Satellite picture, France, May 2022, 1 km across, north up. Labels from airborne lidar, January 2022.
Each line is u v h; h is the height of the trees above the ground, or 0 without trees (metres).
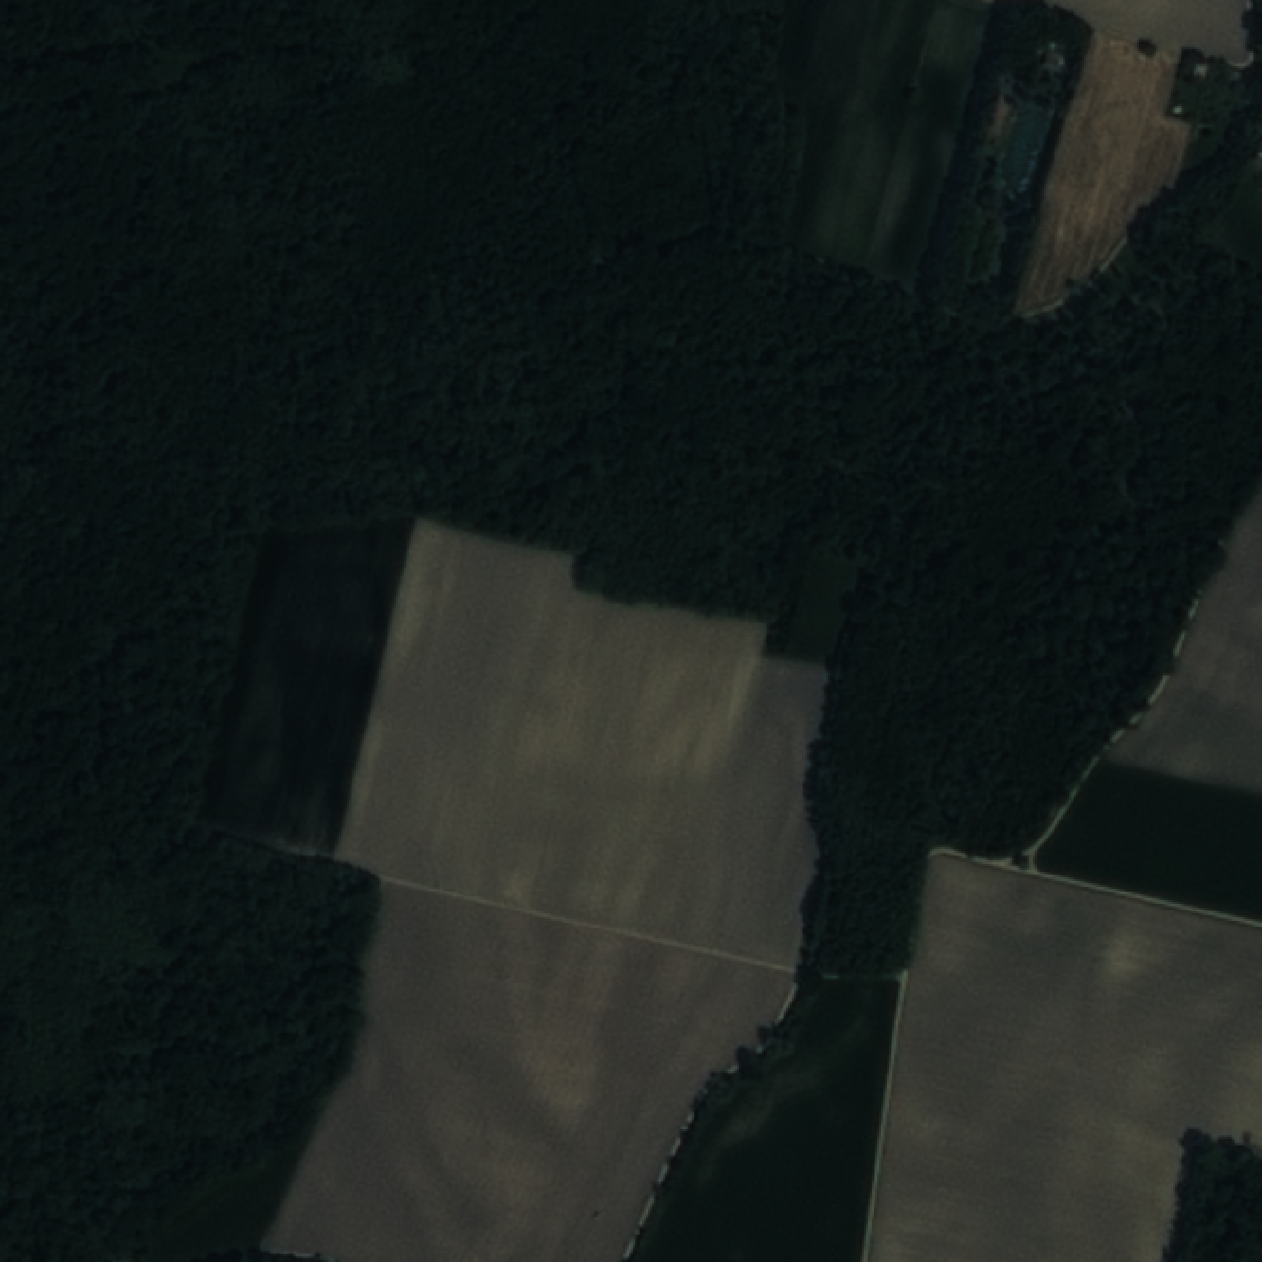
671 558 13
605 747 0
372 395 25
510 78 14
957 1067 0
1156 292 24
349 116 14
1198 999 0
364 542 0
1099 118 0
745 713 0
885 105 0
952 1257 0
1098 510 9
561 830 0
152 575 17
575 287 23
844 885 15
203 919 20
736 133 23
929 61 0
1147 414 23
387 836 0
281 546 0
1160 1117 0
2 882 8
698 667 0
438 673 0
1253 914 0
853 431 24
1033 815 10
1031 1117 0
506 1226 0
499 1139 0
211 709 17
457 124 18
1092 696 22
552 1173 0
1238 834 0
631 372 20
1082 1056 0
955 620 20
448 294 24
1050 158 10
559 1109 0
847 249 0
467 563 0
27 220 21
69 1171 18
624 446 28
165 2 18
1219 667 0
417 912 0
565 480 27
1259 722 0
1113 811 0
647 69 26
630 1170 0
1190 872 0
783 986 0
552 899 0
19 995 17
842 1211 0
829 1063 0
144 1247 15
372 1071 0
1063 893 0
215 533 19
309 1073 25
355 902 26
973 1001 0
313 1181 0
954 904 0
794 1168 0
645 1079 0
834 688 10
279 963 9
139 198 19
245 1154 16
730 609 17
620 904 0
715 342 20
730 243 20
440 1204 0
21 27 15
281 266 9
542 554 0
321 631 0
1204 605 0
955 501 16
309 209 23
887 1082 0
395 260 21
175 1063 23
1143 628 23
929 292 20
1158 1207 0
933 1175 0
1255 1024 0
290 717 0
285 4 8
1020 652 14
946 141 0
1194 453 21
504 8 16
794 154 14
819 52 0
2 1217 27
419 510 25
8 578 0
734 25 26
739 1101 0
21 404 18
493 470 27
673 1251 0
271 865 15
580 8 14
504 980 0
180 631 17
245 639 0
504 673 0
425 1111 0
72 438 16
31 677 18
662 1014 0
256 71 0
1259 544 0
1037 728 9
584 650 0
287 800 0
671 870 0
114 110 18
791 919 0
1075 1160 0
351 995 17
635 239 24
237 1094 17
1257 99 20
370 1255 0
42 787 23
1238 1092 0
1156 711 0
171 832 23
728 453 11
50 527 22
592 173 23
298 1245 0
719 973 0
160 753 26
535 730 0
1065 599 24
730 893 0
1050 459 25
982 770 17
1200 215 19
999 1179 0
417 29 12
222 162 18
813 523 25
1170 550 24
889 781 14
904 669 18
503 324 24
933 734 16
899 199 0
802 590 0
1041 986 0
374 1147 0
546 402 22
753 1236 0
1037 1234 0
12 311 18
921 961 0
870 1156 0
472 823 0
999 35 14
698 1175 0
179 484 22
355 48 16
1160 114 0
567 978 0
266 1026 20
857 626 16
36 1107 15
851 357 22
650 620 0
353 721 0
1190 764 0
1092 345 28
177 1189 23
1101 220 0
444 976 0
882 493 9
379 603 0
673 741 0
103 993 18
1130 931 0
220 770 0
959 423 25
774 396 26
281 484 25
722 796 0
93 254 20
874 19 0
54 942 0
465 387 25
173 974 21
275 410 13
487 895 0
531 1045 0
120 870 24
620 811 0
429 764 0
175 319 20
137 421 15
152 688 23
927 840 19
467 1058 0
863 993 0
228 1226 0
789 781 0
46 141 19
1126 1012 0
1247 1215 30
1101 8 0
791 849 0
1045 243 0
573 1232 0
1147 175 0
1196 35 0
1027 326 13
